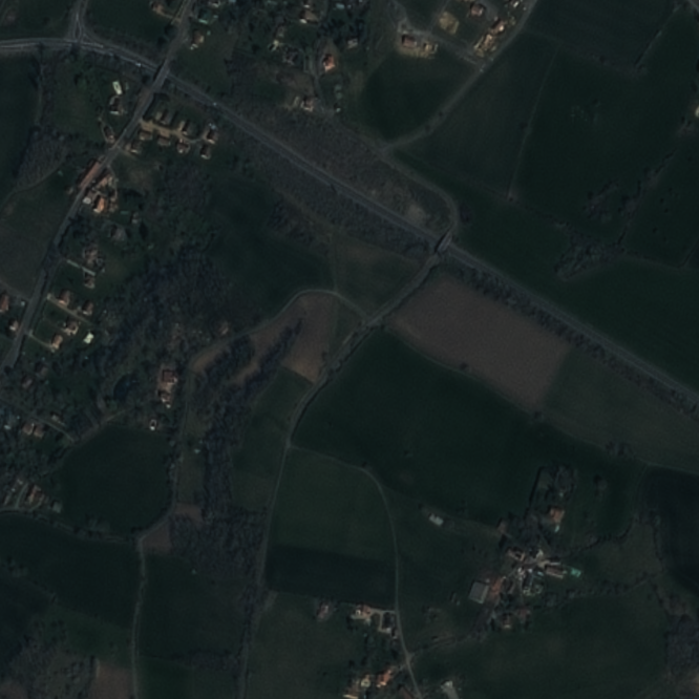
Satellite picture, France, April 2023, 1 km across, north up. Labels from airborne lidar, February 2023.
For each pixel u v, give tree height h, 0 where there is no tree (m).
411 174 0
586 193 0
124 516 0
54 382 0
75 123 0
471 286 9
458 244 7
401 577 0
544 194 0
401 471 0
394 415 0
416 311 0
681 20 0
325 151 6
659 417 0
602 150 0
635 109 0
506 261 0
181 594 0
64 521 0
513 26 0
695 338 0
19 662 20
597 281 0
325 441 0
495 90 0
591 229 0
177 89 10
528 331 0
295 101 0
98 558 0
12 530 0
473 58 0
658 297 0
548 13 0
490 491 0
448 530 8
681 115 0
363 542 0
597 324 0
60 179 0
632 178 0
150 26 0
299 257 0
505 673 0
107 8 0
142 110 0
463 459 0
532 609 10
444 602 0
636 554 0
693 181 0
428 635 0
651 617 0
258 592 14
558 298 0
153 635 0
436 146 0
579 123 0
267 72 0
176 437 17
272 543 0
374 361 0
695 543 0
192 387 0
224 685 0
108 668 0
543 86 0
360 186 0
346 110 0
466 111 0
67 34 0
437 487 0
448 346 0
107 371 8
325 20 8
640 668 0
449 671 0
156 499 0
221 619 0
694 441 0
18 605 0
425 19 0
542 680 0
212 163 0
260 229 0
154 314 10
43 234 0
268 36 10
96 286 0
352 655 0
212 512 22
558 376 0
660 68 0
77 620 0
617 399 0
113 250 0
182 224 10
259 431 0
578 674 0
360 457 0
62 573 0
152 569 0
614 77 0
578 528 0
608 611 0
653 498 0
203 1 6
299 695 0
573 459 0
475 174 0
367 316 0
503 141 0
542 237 0
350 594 0
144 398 17
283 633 0
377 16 0
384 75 0
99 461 0
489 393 0
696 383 0
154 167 0
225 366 18
